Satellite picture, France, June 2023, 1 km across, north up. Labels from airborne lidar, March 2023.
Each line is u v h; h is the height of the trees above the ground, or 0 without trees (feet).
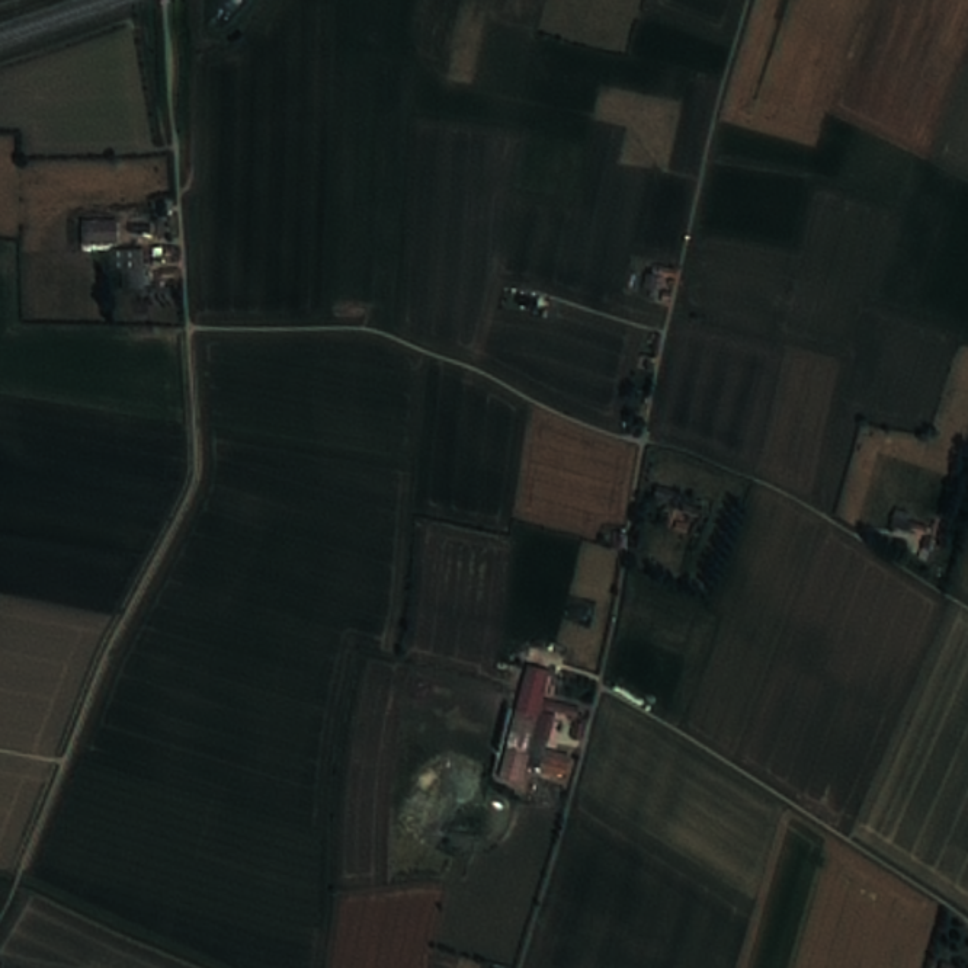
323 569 0
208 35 0
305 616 0
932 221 0
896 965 0
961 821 0
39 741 0
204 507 0
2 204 0
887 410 0
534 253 0
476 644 0
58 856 0
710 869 0
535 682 0
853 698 0
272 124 0
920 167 0
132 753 0
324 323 0
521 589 0
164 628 0
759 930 0
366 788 0
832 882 0
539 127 0
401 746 0
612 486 0
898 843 0
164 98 0
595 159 0
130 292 0
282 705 0
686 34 0
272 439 0
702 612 0
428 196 0
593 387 0
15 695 0
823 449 0
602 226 0
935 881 0
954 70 0
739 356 0
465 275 0
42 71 0
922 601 0
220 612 0
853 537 0
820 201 0
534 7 0
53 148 0
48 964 0
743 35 0
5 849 0
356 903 0
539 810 0
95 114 0
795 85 0
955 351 0
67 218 0
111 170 0
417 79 0
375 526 0
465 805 0
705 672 0
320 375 0
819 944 0
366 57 0
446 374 0
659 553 0
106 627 0
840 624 0
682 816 0
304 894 0
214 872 0
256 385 0
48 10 0
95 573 0
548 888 0
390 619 0
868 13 0
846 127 0
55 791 0
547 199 0
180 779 0
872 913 0
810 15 0
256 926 0
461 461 0
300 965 0
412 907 0
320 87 0
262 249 0
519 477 0
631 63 0
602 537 28
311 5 0
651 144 0
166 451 0
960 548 49
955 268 0
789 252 0
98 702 0
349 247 0
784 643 0
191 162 0
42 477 0
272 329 0
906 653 0
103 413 0
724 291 0
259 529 0
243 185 0
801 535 0
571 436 0
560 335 0
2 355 0
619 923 0
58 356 0
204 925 0
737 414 0
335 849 0
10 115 0
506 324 0
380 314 0
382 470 0
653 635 0
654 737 0
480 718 0
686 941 0
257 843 0
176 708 0
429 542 0
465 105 0
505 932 0
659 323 0
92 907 0
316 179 0
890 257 0
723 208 0
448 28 0
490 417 0
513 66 0
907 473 0
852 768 0
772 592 0
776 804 0
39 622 0
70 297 0
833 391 0
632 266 0
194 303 0
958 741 0
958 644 0
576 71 0
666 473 0
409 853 0
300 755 0
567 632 0
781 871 0
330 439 0
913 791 0
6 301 0
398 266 0
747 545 0
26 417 0
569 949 0
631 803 0
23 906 0
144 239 0
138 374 0
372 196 0
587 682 27
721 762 0
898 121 0
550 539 0
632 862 0
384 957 0
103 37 0
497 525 0
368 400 0
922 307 0
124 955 0
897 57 0
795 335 0
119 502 0
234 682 0
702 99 0
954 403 0
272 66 0
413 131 0
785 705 0
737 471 0
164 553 0
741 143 0
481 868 0
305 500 0
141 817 0
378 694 0
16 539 0
